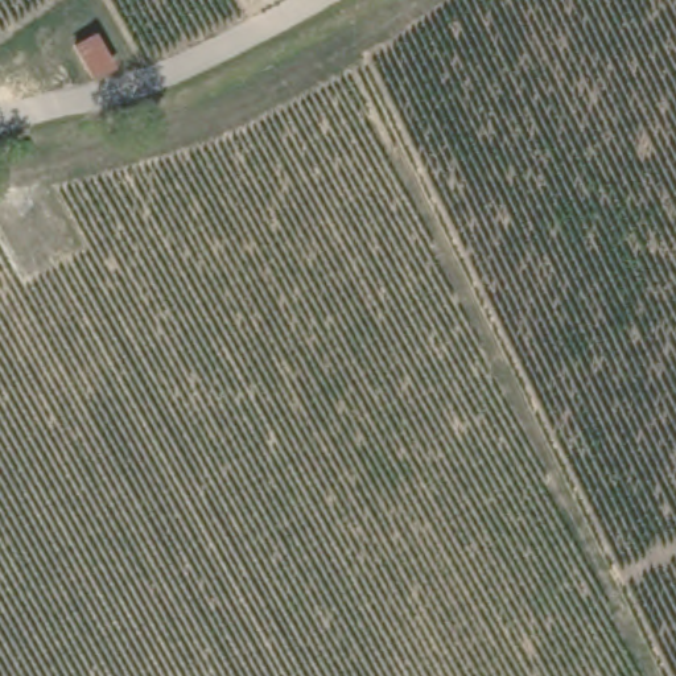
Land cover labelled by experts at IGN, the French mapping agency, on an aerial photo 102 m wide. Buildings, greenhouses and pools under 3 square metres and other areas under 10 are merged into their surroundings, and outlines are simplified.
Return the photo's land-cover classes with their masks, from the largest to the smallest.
<instances>
[{"label":"vineyard","instance_id":"1","mask_svg":"<svg viewBox=\"0 0 676 676\"><path fill-rule=\"evenodd\" d=\"M40 0H0V29L8 18L24 16ZM137 42V55L153 58L156 63H161L166 50H185L193 48L198 40L217 37L222 29H227L230 18L261 16V5L269 0H114ZM69 190H61L63 201L77 214L90 246L71 264H58L55 269L40 275L34 283H21L0 248V676H676V0H449L430 18H425L412 32L399 37L396 45L386 40L370 45L367 50H362V58L346 66L343 71H335L314 82L312 87H304L301 92L259 111L248 121L230 127L222 135L190 143L177 151L153 153L143 158H129L124 166H111L103 172L66 180Z\"/></svg>","mask_w":676,"mask_h":676},{"label":"herbaceous vegetation","instance_id":"2","mask_svg":"<svg viewBox=\"0 0 676 676\"><path fill-rule=\"evenodd\" d=\"M87 37H100L106 50L114 55L116 69L111 74L121 79L127 71L151 69L156 63L153 58L137 55V42L114 0H40L24 16L8 18L0 29V85L11 87L16 98H37L42 92H58L71 85H85V71L74 58V45L85 42ZM449 0H338L322 8L320 13L298 21L296 26L177 85H166L161 90L140 85L129 98L103 103L100 108L111 114L143 103H161L166 119V137L161 148H156L153 153L177 151L190 143L222 135L230 127L248 121L259 111L301 92L304 87H312L314 82L335 71H343L346 66L362 58V50H367L370 45L386 40L396 45L399 37L412 32L425 18H430ZM87 119L85 114L58 116L37 124L26 121L24 132L29 140L24 143H13L5 129L0 132V248L21 283H34L40 275L55 269L58 264H71L90 246L77 214L63 201L61 190H69L66 180L103 172L111 166H124L129 158L108 151L98 140L79 132V124Z\"/></svg>","mask_w":676,"mask_h":676},{"label":"pervious surface","instance_id":"3","mask_svg":"<svg viewBox=\"0 0 676 676\"><path fill-rule=\"evenodd\" d=\"M338 0H269L261 5V16L230 18L227 29H222L217 37L198 40L193 48L185 50H166L161 63H156L151 69L127 71L121 79L111 74L100 79V85H71L58 92H42L37 98H16L11 87L0 85V132L5 129L13 143H24L29 140L24 132L26 121L37 124L58 116L85 114H95L100 108L103 103L129 98L140 85L161 90L166 85H177L296 26L298 21L320 13L322 8Z\"/></svg>","mask_w":676,"mask_h":676},{"label":"deciduous trees","instance_id":"4","mask_svg":"<svg viewBox=\"0 0 676 676\"><path fill-rule=\"evenodd\" d=\"M87 119L79 124V132L98 140L108 151L129 158H143L153 153L156 148H161L166 137V119L161 103H143L111 114L100 108L95 114H85Z\"/></svg>","mask_w":676,"mask_h":676},{"label":"building","instance_id":"5","mask_svg":"<svg viewBox=\"0 0 676 676\"><path fill-rule=\"evenodd\" d=\"M74 58L85 71V85H100V79L111 74L116 69L114 55L106 50L100 37H87L85 42L74 45Z\"/></svg>","mask_w":676,"mask_h":676}]
</instances>
